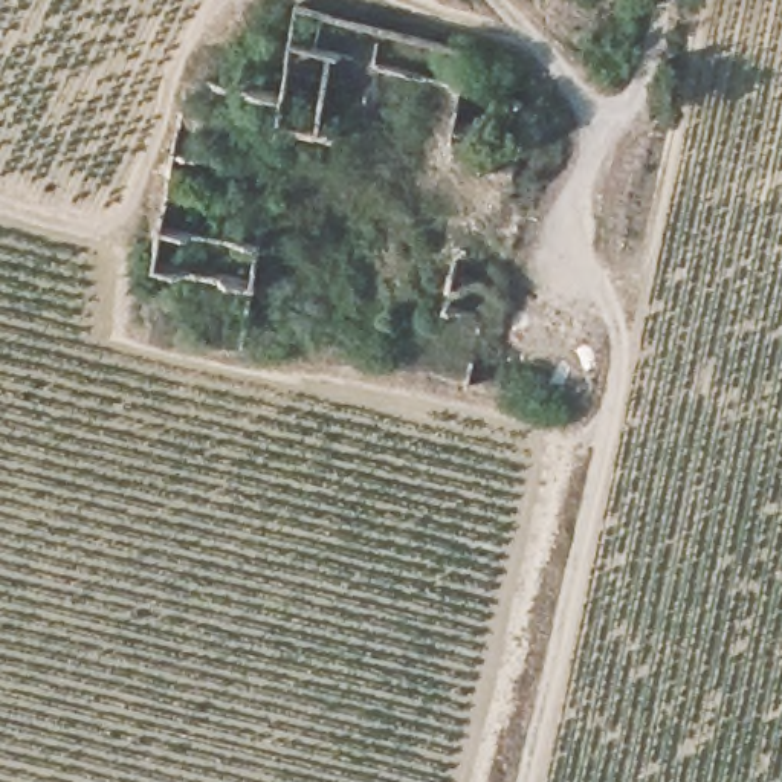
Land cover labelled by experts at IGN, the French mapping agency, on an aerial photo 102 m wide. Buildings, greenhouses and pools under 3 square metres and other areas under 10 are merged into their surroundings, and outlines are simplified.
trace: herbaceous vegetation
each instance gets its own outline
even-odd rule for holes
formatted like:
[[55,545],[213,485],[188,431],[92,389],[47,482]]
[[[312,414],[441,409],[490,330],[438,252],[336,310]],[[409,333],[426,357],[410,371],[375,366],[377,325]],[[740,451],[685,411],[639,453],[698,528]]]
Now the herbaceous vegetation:
[[651,86],[648,107],[651,119],[660,119],[669,128],[675,128],[681,122],[684,104],[700,104],[709,95],[736,101],[739,95],[751,92],[755,82],[773,79],[773,67],[751,67],[745,58],[721,58],[718,46],[687,49],[687,37],[693,34],[690,24],[672,24],[672,31],[660,31],[654,27],[654,18],[645,12],[635,18],[635,46],[648,52],[638,76]]

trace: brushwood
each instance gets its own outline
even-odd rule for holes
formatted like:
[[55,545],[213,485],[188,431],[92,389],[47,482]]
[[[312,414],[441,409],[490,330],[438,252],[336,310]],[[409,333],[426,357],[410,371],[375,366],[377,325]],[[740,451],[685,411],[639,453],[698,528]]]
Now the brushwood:
[[226,180],[220,174],[214,174],[205,165],[183,165],[174,165],[171,171],[189,177],[189,192],[196,199],[223,196]]
[[186,95],[192,92],[223,95],[226,89],[211,82],[208,76],[208,46],[199,43],[183,67],[177,89],[177,104],[183,107]]
[[373,302],[376,266],[364,257],[354,257],[348,260],[348,284],[357,299]]
[[[281,128],[296,131],[296,141],[302,144],[330,147],[333,137],[321,131],[336,119],[336,131],[351,150],[348,168],[354,171],[357,183],[370,183],[388,202],[397,202],[412,217],[412,226],[425,235],[428,247],[446,250],[446,266],[434,269],[434,281],[443,284],[440,333],[428,330],[422,339],[415,339],[412,302],[391,305],[385,351],[397,370],[434,370],[477,385],[492,382],[498,373],[528,373],[535,367],[535,376],[541,376],[544,403],[565,406],[574,425],[587,418],[599,409],[599,403],[587,394],[583,379],[559,376],[550,360],[522,360],[519,351],[510,345],[510,327],[522,315],[525,302],[535,296],[535,284],[525,266],[532,263],[532,247],[541,241],[544,217],[550,211],[547,189],[556,177],[565,174],[574,153],[574,134],[590,122],[593,110],[568,79],[550,73],[550,52],[541,43],[532,43],[528,37],[504,27],[452,24],[376,0],[293,0],[293,12],[281,12],[278,24],[266,34],[272,49],[269,58],[244,64],[241,86],[244,92],[250,92],[247,104],[257,104],[257,116],[278,119]],[[495,101],[495,131],[504,137],[510,134],[516,144],[516,162],[510,171],[473,177],[461,162],[455,162],[452,134],[464,134],[467,125],[483,113],[483,107],[461,101],[461,92],[452,79],[434,86],[431,67],[425,64],[434,46],[455,49],[464,58],[480,58],[483,64],[510,64],[513,86],[504,98]],[[403,79],[406,73],[415,73],[412,79],[418,86],[428,86],[418,98],[418,107],[425,110],[418,116],[418,131],[428,131],[434,137],[431,153],[425,153],[422,147],[397,150],[391,141],[394,125],[382,119],[388,79]]]
[[287,278],[287,266],[278,257],[278,241],[299,241],[305,260],[315,266],[327,247],[339,247],[345,241],[348,226],[333,211],[336,196],[312,183],[284,186],[284,208],[278,214],[269,214],[257,177],[238,177],[238,211],[244,223],[241,244],[211,238],[202,214],[168,205],[159,241],[150,241],[147,266],[156,269],[156,281],[168,284],[174,275],[189,275],[189,284],[208,284],[229,296],[250,296],[250,327],[269,330],[269,290]]
[[568,553],[574,544],[574,525],[593,464],[593,446],[587,449],[587,455],[574,458],[574,470],[568,477],[553,550],[541,568],[538,596],[528,611],[528,654],[513,684],[510,721],[498,730],[489,782],[516,782],[525,730],[535,712],[538,681],[547,660],[547,645],[553,635],[556,602],[565,580]]

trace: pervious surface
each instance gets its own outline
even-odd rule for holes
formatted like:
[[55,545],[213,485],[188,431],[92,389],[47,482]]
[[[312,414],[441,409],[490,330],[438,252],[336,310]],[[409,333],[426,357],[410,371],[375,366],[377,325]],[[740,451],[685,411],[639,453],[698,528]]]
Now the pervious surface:
[[535,296],[525,302],[522,315],[510,327],[510,345],[519,351],[522,360],[550,360],[559,376],[583,379],[587,394],[599,403],[599,409],[587,418],[596,428],[593,446],[593,464],[574,525],[574,544],[568,553],[565,580],[556,602],[553,635],[547,645],[547,660],[538,681],[535,712],[525,730],[516,782],[547,782],[550,748],[556,739],[556,727],[562,724],[559,706],[565,696],[577,620],[587,602],[587,577],[593,565],[596,535],[602,532],[599,516],[611,489],[611,464],[623,422],[623,403],[629,394],[632,367],[638,360],[638,342],[629,336],[623,302],[614,290],[611,272],[593,250],[593,189],[599,183],[599,174],[611,165],[614,144],[620,141],[620,134],[648,107],[651,86],[638,76],[623,92],[605,95],[596,82],[590,82],[580,64],[565,58],[559,40],[541,34],[541,27],[516,0],[489,0],[498,9],[504,27],[528,37],[532,43],[541,43],[550,52],[550,73],[568,79],[593,110],[590,122],[574,134],[574,153],[565,174],[556,177],[547,189],[550,211],[544,217],[541,241],[532,247],[532,263],[525,266],[535,284]]

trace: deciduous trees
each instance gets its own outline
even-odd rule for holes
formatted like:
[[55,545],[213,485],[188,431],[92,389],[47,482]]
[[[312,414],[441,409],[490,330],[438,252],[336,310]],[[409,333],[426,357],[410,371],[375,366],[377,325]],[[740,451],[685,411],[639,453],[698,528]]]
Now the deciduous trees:
[[657,0],[577,0],[577,6],[593,9],[596,15],[596,31],[587,40],[587,55],[580,58],[580,64],[590,82],[596,82],[605,95],[623,92],[638,76],[648,52],[635,46],[635,18],[645,12],[654,18],[660,15]]
[[[186,95],[183,107],[174,144],[174,153],[183,156],[183,165],[205,165],[214,174],[220,174],[226,180],[223,196],[196,199],[189,192],[189,177],[171,171],[168,205],[202,214],[211,238],[241,244],[244,223],[238,211],[238,177],[257,177],[269,214],[278,214],[284,208],[284,186],[312,183],[336,196],[333,211],[348,226],[345,241],[339,247],[327,247],[315,266],[305,260],[299,241],[278,241],[278,257],[287,266],[287,278],[269,290],[269,330],[250,327],[250,296],[229,296],[208,284],[189,284],[189,275],[174,275],[168,284],[156,281],[156,269],[147,266],[150,241],[137,235],[131,241],[128,290],[131,296],[171,299],[180,312],[183,327],[202,348],[244,348],[254,367],[321,360],[351,364],[367,376],[388,376],[397,370],[385,351],[391,305],[412,302],[415,339],[422,339],[428,330],[440,333],[443,284],[434,281],[434,269],[446,266],[446,250],[428,247],[425,235],[412,226],[412,217],[397,202],[388,202],[370,183],[357,183],[354,171],[348,168],[351,150],[336,131],[336,119],[321,131],[333,137],[330,147],[302,144],[296,141],[296,131],[281,128],[278,119],[257,116],[257,104],[247,104],[250,92],[244,92],[241,86],[244,64],[269,58],[272,49],[266,34],[278,24],[281,12],[293,12],[293,0],[254,0],[244,6],[244,24],[238,27],[238,34],[229,43],[208,46],[208,76],[211,82],[226,89],[223,95],[192,92]],[[357,299],[348,284],[348,260],[354,257],[364,257],[376,266],[373,302]]]
[[403,79],[388,79],[382,119],[394,125],[391,141],[397,150],[422,147],[425,153],[431,153],[434,137],[428,131],[418,131],[418,116],[425,110],[418,107],[418,98],[428,86],[418,86],[412,79],[415,73],[406,73]]
[[452,79],[461,92],[461,101],[483,107],[483,113],[467,125],[464,134],[452,134],[455,162],[461,162],[473,177],[510,171],[516,162],[516,144],[510,134],[504,137],[495,131],[495,101],[504,98],[513,86],[510,64],[483,64],[480,58],[464,58],[455,49],[434,46],[425,64],[431,67],[434,86]]
[[535,376],[535,367],[528,373],[498,373],[492,382],[498,388],[498,409],[538,428],[553,428],[574,425],[565,406],[544,403],[541,376]]

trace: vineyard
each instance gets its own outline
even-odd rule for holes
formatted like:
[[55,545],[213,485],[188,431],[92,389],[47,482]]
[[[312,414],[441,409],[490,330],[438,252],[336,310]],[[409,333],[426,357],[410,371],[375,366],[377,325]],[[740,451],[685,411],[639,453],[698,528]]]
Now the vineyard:
[[467,718],[483,666],[492,605],[498,599],[504,574],[510,532],[516,528],[516,507],[525,483],[522,470],[532,464],[532,455],[541,458],[547,452],[547,434],[553,428],[538,428],[498,409],[498,388],[492,382],[477,385],[434,370],[397,370],[388,376],[367,376],[351,364],[321,360],[254,367],[244,348],[202,348],[183,327],[180,312],[171,299],[131,296],[128,290],[131,241],[137,235],[150,241],[159,241],[168,205],[171,171],[174,165],[183,165],[183,156],[174,153],[174,144],[183,107],[177,104],[177,89],[183,67],[199,43],[208,46],[229,43],[238,34],[238,27],[244,24],[244,6],[254,0],[0,0],[0,782],[452,782],[461,739],[467,733]]
[[452,24],[504,27],[498,9],[489,0],[376,0]]
[[596,15],[593,9],[577,6],[577,0],[516,0],[541,27],[541,34],[559,40],[565,58],[580,64],[580,58],[587,55],[587,40],[596,31]]
[[687,49],[718,46],[721,58],[745,58],[751,67],[773,67],[773,79],[755,82],[751,92],[739,95],[736,101],[709,95],[700,104],[684,104],[681,122],[675,128],[669,128],[660,119],[651,119],[648,107],[620,134],[620,141],[614,144],[611,165],[599,174],[599,183],[593,189],[593,250],[611,272],[614,290],[623,302],[629,336],[638,342],[638,360],[632,367],[629,394],[623,403],[623,422],[611,464],[611,489],[599,516],[602,532],[596,535],[593,565],[587,577],[587,602],[577,620],[565,696],[559,706],[562,724],[556,727],[556,739],[550,748],[547,782],[782,782],[782,0],[657,0],[660,15],[654,18],[654,27],[660,31],[672,31],[672,24],[690,24],[693,34],[687,37]]

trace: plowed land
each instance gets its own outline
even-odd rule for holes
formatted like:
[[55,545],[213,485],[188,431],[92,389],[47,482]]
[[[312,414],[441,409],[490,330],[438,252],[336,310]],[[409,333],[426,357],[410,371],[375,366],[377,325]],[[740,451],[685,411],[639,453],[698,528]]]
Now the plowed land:
[[547,452],[541,458],[532,455],[532,464],[522,470],[525,483],[516,507],[516,528],[510,532],[504,574],[498,599],[492,605],[483,666],[467,718],[467,733],[461,739],[452,782],[489,782],[498,730],[510,721],[513,684],[528,654],[528,611],[538,596],[541,568],[553,550],[568,477],[574,470],[574,458],[587,455],[587,449],[593,446],[596,428],[587,418],[574,425],[553,428],[547,434]]

